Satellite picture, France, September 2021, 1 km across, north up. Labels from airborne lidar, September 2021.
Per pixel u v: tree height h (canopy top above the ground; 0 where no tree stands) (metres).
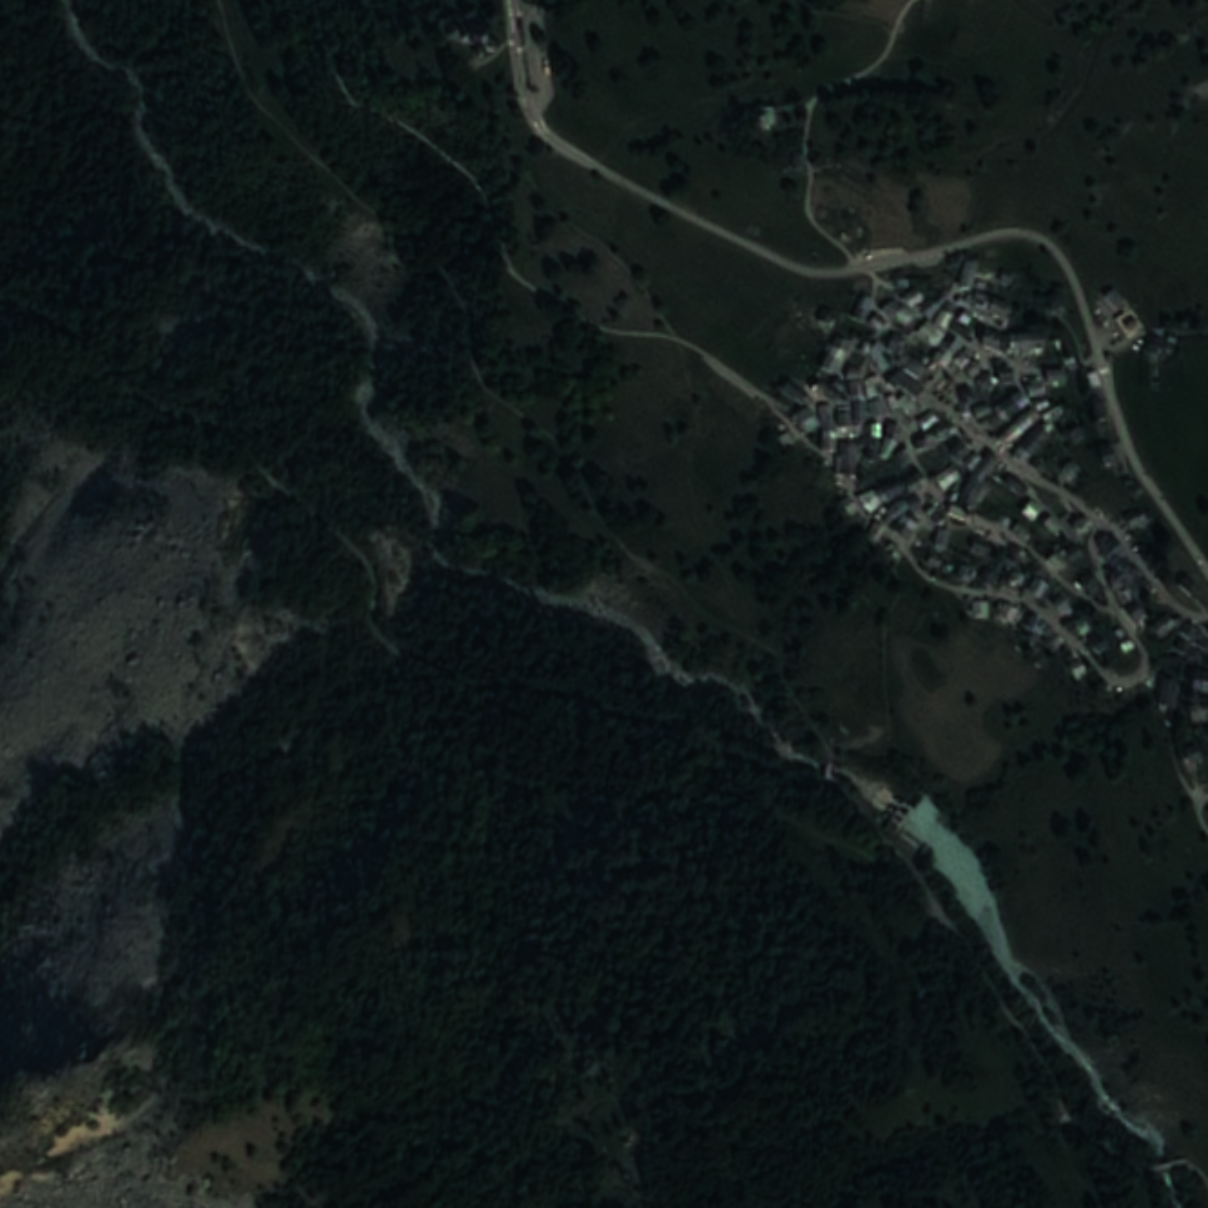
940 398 0
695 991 10
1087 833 12
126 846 0
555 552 25
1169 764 0
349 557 6
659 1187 16
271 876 9
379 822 13
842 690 0
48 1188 0
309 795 11
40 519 0
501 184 12
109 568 0
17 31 10
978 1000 9
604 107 0
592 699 11
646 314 0
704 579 13
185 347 15
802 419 0
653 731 13
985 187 0
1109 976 7
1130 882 0
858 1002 15
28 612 0
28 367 20
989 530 0
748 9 0
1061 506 0
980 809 11
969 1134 11
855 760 12
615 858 28
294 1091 7
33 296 16
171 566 0
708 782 6
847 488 0
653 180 0
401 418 14
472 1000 23
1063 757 12
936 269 0
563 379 13
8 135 25
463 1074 10
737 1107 24
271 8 9
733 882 15
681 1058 16
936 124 10
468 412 11
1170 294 0
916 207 7
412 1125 18
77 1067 6
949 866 0
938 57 0
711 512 8
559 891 24
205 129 27
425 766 13
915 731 0
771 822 10
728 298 0
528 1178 14
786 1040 17
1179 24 0
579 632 11
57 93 23
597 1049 14
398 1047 19
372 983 11
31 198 5
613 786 12
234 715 15
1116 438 0
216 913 15
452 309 14
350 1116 10
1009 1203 15
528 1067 18
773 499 0
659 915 21
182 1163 0
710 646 11
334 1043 16
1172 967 0
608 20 0
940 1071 10
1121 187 0
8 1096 7
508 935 15
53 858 14
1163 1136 0
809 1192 14
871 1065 12
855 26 0
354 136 13
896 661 0
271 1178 0
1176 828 0
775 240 0
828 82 0
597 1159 18
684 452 0
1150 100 0
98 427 12
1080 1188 0
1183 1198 12
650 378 0
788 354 0
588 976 15
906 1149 11
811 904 12
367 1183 14
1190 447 0
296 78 18
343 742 13
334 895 14
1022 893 0
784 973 14
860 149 14
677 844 15
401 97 18
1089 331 0
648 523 14
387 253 7
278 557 9
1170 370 0
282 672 10
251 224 17
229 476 13
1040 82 0
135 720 0
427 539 8
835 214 0
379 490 11
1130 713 9
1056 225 7
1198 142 0
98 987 0
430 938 12
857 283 0
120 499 7
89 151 13
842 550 14
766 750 9
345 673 14
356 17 12
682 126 0
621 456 0
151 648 0
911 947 9
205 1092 6
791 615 9
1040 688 0
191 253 26
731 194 0
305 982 8
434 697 16
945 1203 0
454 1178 10
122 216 17
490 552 17
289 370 17
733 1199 13
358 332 8
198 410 11
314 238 12
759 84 0
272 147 12
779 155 8
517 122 9
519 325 0
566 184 0
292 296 14
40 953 6
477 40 0
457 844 21
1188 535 0
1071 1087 16
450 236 20
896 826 0
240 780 13
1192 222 0
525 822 13
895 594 17
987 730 0
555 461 13
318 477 15
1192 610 0
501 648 18
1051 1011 7
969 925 11
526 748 15
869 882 14
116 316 15
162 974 6
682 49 0
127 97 18
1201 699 6
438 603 22
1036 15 0
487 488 0
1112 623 0
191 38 19
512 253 8
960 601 0
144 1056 0
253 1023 7
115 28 21
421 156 16
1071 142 0
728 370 0
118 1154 0
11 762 0
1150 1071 0
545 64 0
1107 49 0
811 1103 17
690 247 0
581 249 0
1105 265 0
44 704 0
